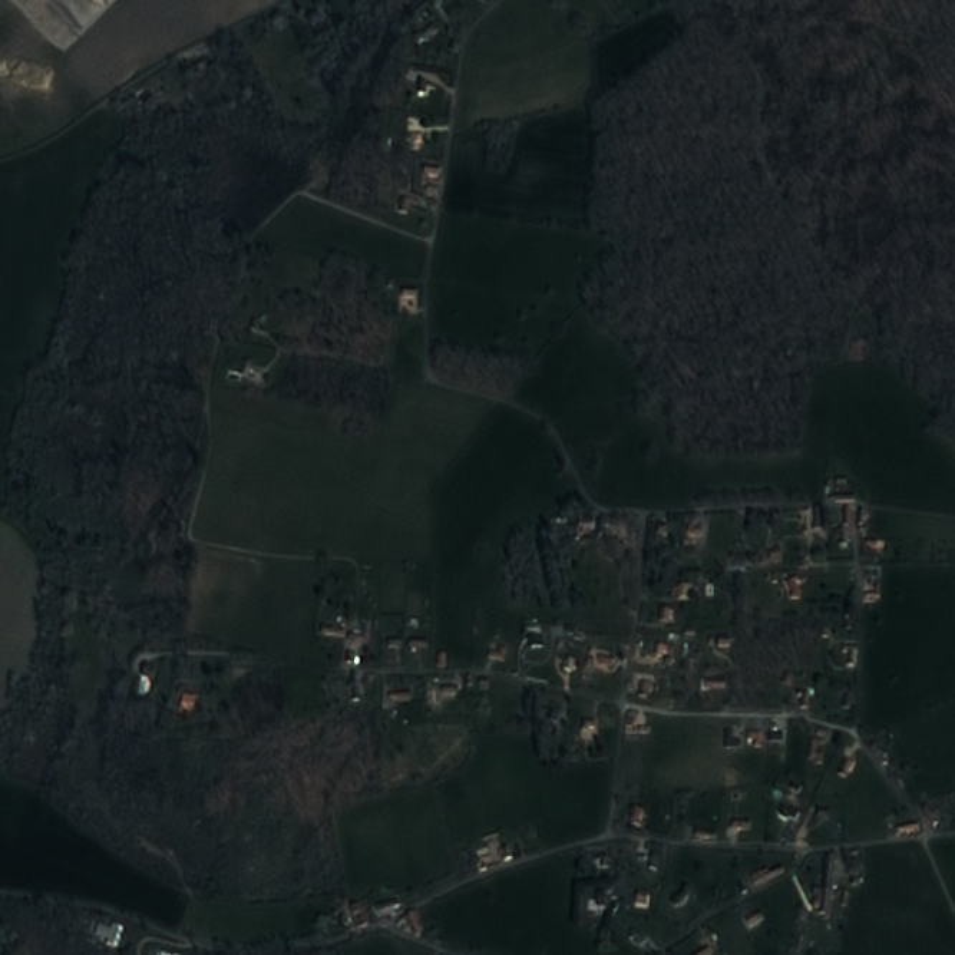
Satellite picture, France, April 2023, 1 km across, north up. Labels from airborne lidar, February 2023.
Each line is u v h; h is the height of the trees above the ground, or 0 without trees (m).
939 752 0
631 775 0
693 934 0
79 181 0
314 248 0
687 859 0
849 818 0
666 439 0
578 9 0
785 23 11
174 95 0
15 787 0
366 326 13
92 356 13
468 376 19
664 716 0
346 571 0
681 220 20
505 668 0
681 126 21
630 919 0
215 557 0
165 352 20
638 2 0
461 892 0
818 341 21
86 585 5
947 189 23
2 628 0
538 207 0
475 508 0
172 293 18
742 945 0
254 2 0
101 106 0
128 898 0
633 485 0
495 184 0
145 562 0
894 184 24
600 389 0
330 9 8
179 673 14
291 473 0
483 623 0
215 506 0
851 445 0
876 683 0
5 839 0
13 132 0
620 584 0
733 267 17
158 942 0
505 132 10
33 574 0
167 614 14
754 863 0
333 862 10
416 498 0
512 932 0
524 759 0
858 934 0
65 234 0
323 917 9
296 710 0
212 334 11
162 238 18
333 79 9
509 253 0
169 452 10
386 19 8
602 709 0
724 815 0
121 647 0
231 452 0
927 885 0
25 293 0
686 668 13
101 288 12
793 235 21
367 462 0
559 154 0
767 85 19
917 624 0
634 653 0
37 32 0
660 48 0
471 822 0
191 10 0
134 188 13
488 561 0
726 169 23
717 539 0
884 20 12
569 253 0
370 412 16
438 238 0
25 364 0
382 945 0
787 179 19
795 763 0
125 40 0
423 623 0
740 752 0
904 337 18
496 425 0
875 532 0
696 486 0
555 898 0
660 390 22
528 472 0
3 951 10
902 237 23
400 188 8
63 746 12
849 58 19
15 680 12
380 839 0
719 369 17
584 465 0
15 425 6
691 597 10
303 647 0
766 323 24
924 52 22
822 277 21
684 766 0
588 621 0
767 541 0
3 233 0
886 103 17
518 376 19
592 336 0
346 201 13
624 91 18
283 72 0
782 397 21
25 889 0
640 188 22
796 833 0
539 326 0
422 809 0
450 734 0
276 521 0
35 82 0
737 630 13
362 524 0
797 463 0
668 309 23
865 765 0
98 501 16
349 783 10
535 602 10
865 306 13
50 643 12
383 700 0
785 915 0
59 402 8
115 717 15
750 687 17
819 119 11
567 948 0
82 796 9
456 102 0
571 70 0
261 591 0
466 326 0
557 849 0
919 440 0
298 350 15
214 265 17
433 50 10
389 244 0
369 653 8
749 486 0
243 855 5
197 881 12
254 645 0
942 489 0
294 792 13
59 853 0
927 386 21
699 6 21
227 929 0
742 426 23
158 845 8
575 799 0
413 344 0
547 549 19
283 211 0
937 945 0
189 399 18
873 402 0
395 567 0
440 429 0
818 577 0
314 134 9
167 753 9
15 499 5
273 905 6
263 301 0
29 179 0
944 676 0
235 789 12
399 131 0
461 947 0
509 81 0
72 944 14
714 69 16
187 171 7
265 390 7
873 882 0
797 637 13
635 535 13
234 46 13
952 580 0
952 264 6
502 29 0
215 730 11
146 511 14
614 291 22
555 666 0
